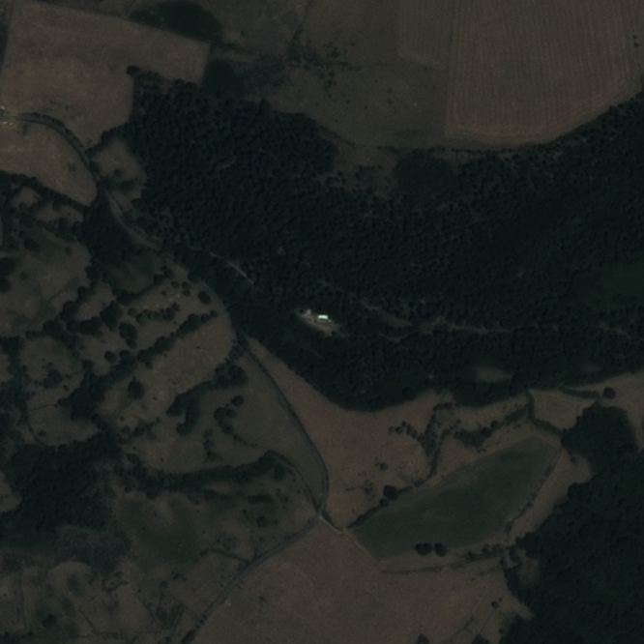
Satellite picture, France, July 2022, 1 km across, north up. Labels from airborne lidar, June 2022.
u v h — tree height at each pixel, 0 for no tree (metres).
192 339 0
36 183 12
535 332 25
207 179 20
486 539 0
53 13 0
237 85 0
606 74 0
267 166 17
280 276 22
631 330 7
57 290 0
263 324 6
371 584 0
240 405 10
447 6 0
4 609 0
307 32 0
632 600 10
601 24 0
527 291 14
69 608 0
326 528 0
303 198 17
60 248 0
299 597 0
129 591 0
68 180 0
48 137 0
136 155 8
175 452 0
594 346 21
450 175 6
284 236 18
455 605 0
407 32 0
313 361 7
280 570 0
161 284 10
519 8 0
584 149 6
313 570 0
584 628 6
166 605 0
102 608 0
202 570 0
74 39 0
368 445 0
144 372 0
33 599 0
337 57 0
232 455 0
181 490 6
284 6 0
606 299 0
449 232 19
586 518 6
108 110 0
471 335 7
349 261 16
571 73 0
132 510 0
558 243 20
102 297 0
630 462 10
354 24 0
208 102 16
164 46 0
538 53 0
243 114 18
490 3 0
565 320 14
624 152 16
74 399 16
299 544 0
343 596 0
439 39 0
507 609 0
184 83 13
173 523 0
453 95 0
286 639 0
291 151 17
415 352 18
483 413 0
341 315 18
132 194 0
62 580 0
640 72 0
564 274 15
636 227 20
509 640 8
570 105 0
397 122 0
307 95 0
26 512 16
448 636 0
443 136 0
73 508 13
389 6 0
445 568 0
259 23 0
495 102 0
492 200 17
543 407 0
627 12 0
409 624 0
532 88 0
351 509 0
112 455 11
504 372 0
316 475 0
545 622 13
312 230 16
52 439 0
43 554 0
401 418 0
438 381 12
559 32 0
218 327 0
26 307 0
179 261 10
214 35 0
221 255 12
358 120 0
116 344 0
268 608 0
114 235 14
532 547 11
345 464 0
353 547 0
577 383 8
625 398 0
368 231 16
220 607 0
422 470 0
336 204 13
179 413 12
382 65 0
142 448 0
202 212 19
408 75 0
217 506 0
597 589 7
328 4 0
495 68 0
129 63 0
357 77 0
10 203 9
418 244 16
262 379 0
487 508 0
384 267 16
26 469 6
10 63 0
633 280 0
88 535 0
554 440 0
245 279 15
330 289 12
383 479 0
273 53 0
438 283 25
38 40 0
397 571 0
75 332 19
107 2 0
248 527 0
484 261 21
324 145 16
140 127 20
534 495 0
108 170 0
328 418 0
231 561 0
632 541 17
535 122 0
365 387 23
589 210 19
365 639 0
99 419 13
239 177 20
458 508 0
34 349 0
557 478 0
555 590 7
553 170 17
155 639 0
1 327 0
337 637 0
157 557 0
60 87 0
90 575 0
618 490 15
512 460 0
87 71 0
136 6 0
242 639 0
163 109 15
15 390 5
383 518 0
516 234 8
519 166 16
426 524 0
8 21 0
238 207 14
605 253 15
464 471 0
